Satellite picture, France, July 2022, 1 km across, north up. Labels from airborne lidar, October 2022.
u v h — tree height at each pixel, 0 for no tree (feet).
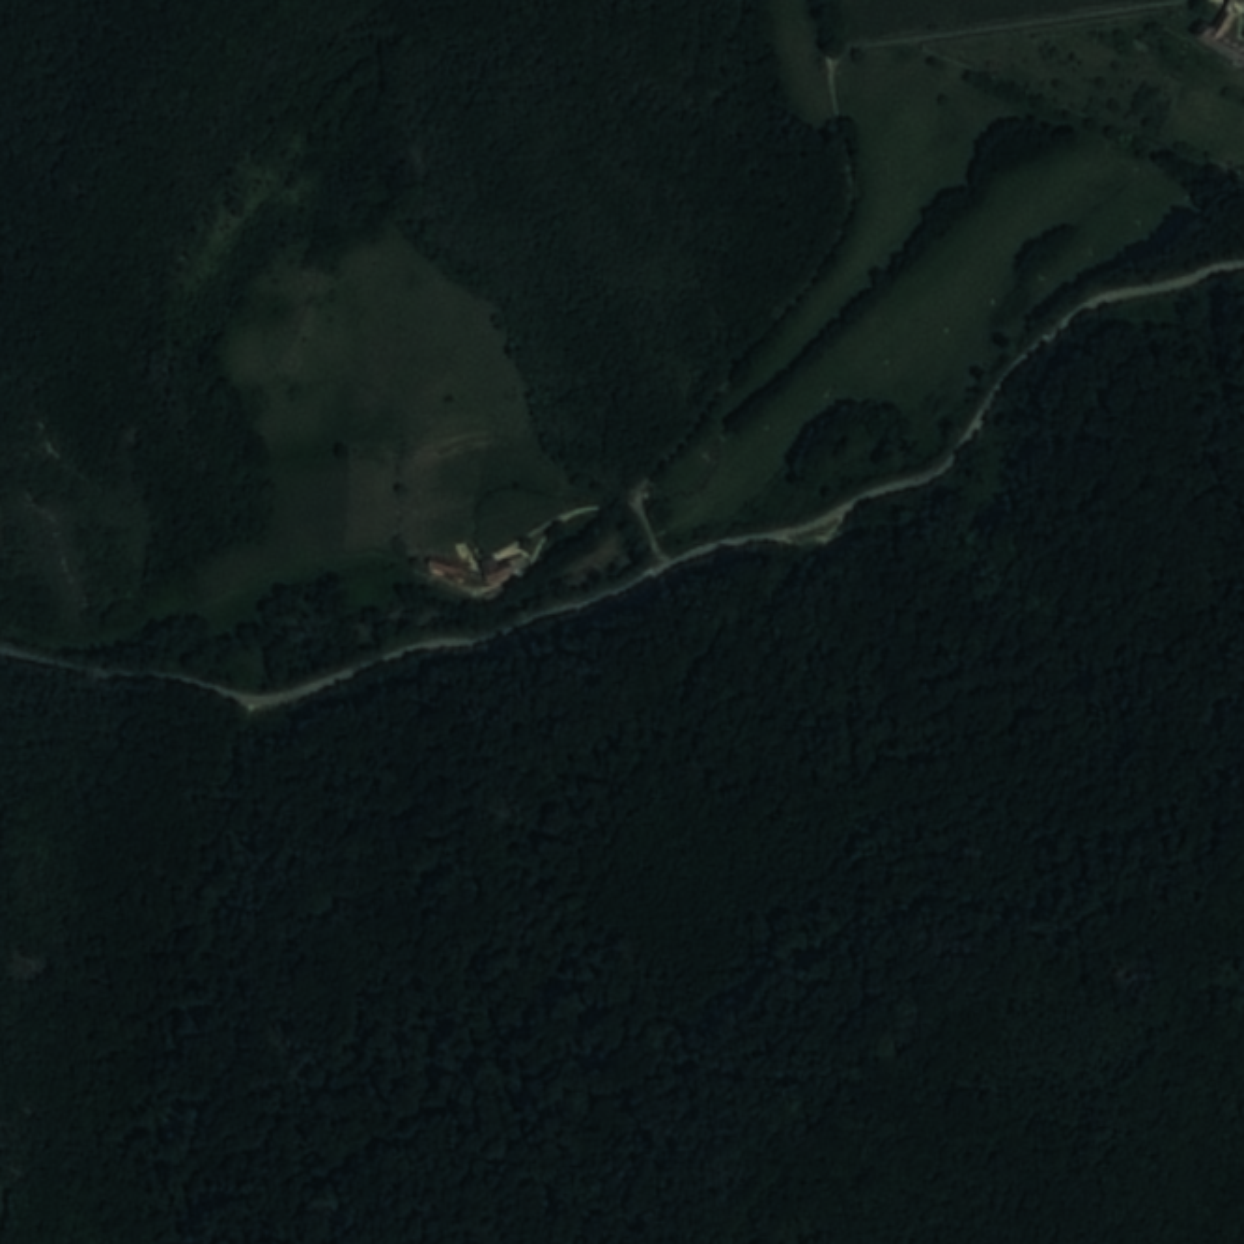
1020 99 34
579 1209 89
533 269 23
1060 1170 73
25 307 42
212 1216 101
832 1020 93
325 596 52
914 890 58
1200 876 60
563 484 0
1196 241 102
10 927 38
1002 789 57
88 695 53
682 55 39
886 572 78
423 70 27
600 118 25
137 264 34
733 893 51
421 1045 94
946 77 0
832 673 87
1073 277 0
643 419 44
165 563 62
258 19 37
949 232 39
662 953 54
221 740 74
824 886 52
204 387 44
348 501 0
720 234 41
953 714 92
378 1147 78
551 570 51
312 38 32
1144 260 91
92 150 43
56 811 45
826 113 0
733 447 0
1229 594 77
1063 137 60
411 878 94
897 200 0
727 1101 84
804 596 75
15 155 48
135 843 83
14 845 32
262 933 99
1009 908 49
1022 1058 58
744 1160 74
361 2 39
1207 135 0
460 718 73
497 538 0
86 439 42
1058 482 83
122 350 49
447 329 0
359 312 0
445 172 21
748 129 67
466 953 106
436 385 0
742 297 61
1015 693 99
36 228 45
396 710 98
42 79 39
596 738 105
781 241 60
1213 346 28
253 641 71
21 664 48
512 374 0
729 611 82
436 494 0
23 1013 32
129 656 63
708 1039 93
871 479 25
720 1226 43
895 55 0
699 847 49
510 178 27
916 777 63
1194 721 82
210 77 39
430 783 80
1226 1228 58
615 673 96
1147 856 58
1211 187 85
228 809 73
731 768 93
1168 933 65
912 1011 91
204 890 105
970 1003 89
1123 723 57
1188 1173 34
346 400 0
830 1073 75
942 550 84
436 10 59
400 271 0
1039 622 112
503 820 80
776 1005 98
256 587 0
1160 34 23
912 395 0
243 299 51
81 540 37
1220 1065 74
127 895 86
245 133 31
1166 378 93
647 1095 102
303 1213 76
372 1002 90
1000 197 0
